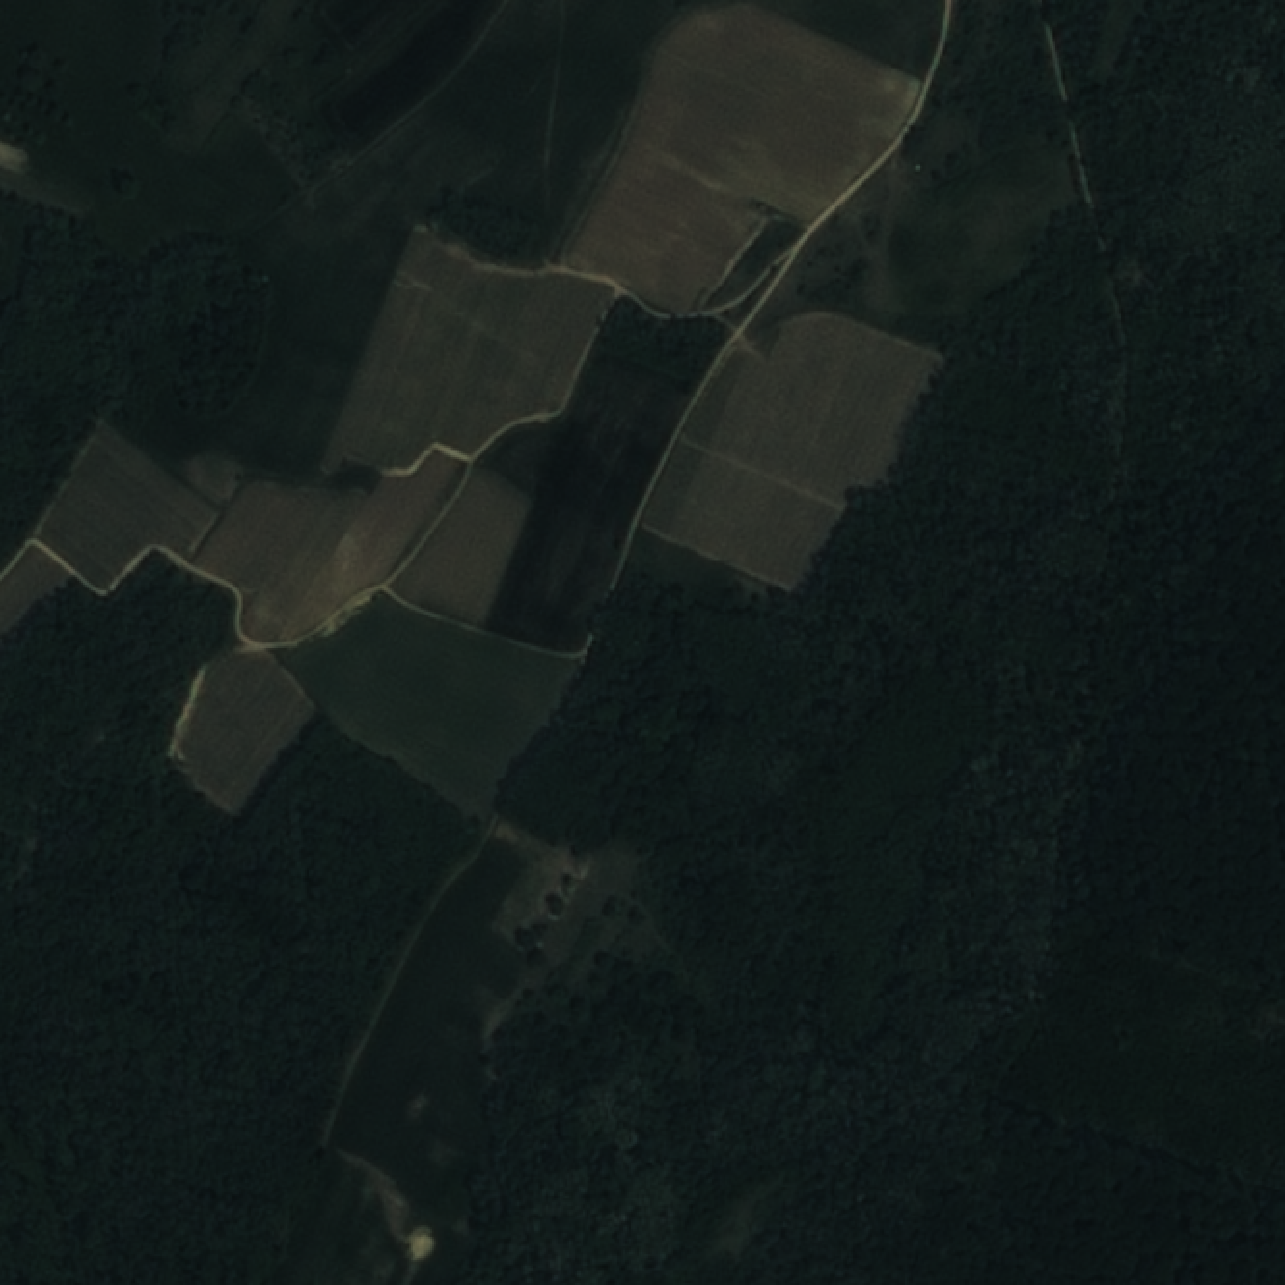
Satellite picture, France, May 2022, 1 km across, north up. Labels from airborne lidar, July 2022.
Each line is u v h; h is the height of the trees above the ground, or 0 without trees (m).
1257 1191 8
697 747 24
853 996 13
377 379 0
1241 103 18
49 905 6
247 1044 17
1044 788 22
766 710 23
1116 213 19
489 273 0
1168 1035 6
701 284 0
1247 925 32
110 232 0
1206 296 22
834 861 14
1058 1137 29
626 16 0
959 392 11
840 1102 20
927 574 23
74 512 0
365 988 17
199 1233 26
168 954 27
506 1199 18
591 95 0
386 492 0
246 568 0
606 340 9
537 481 0
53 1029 21
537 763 17
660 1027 14
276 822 26
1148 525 7
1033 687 27
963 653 27
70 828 16
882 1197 19
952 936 16
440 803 15
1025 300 10
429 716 0
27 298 17
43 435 10
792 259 0
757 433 0
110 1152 22
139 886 18
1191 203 23
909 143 10
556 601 0
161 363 15
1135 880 19
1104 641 25
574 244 0
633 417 0
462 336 0
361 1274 0
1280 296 22
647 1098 19
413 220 0
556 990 10
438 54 0
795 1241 11
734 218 0
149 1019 20
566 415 0
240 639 0
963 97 7
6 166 0
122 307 17
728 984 7
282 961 12
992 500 11
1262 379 21
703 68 0
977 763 31
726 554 0
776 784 26
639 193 0
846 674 27
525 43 0
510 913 0
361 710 0
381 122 0
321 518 0
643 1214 25
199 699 0
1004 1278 27
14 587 0
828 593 20
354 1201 0
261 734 0
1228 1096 7
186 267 26
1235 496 26
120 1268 23
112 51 0
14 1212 24
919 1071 13
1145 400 12
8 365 14
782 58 0
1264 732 29
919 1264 21
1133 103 17
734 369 0
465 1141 0
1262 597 30
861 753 12
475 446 0
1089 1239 27
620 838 12
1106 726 9
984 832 13
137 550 0
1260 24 17
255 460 0
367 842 23
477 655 0
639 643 17
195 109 0
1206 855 30
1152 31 10
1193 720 26
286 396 0
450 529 0
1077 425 23
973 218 0
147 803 13
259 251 0
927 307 0
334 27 0
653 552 0
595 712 24
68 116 10
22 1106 27
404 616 0
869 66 0
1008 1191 27
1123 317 9
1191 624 24
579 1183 28
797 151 0
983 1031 22
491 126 0
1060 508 21
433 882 16
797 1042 26
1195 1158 7
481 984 0
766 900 16
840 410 0
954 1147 20
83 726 17
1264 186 26
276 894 21
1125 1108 6
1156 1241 29
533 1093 18
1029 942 21
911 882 23
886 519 19
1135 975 7
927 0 0
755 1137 20
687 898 15
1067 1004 9
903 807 12
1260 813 29
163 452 0
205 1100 21
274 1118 17
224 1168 15
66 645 19
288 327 0
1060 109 10
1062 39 12
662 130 0
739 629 19
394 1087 0
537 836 11
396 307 0
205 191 0
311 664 0
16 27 0
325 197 0
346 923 23
